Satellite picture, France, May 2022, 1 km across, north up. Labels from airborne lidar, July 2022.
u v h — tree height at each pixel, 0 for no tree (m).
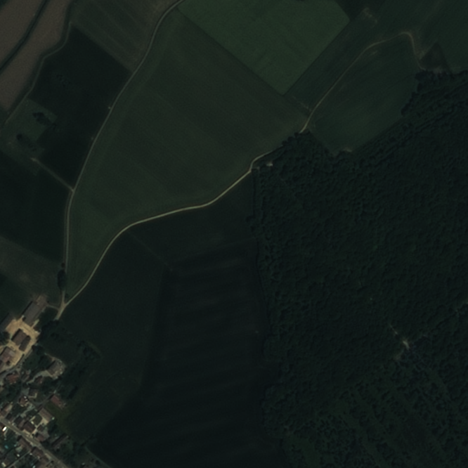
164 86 0
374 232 19
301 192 17
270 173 13
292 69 0
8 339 16
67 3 0
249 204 0
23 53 0
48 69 0
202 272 0
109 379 0
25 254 0
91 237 0
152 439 0
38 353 17
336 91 0
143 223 0
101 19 0
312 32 0
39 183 0
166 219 0
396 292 17
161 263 0
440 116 7
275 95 0
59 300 0
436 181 19
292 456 15
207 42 0
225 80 0
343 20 0
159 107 0
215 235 0
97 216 0
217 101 0
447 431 8
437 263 15
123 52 0
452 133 21
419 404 13
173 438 0
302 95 0
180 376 0
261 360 0
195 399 0
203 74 0
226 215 0
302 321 18
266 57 0
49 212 0
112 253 0
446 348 21
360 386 10
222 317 0
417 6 0
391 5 0
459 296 25
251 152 0
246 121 0
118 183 0
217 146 0
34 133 0
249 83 0
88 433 0
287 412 19
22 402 0
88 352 15
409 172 23
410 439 6
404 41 0
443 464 7
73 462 8
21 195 0
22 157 0
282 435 13
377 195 17
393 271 19
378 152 7
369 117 0
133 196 0
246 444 0
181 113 0
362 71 0
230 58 0
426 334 14
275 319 19
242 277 0
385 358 16
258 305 0
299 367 14
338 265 20
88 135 0
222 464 0
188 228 0
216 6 0
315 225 17
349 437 14
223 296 0
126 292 0
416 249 16
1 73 0
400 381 22
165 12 0
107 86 0
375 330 20
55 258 0
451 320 22
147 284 0
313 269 21
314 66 0
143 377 0
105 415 0
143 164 0
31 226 0
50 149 0
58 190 0
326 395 20
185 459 0
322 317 24
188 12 0
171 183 0
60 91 0
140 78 0
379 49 0
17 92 0
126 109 0
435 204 20
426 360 17
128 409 0
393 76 0
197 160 0
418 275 17
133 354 0
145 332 0
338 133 0
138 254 0
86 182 0
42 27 0
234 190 0
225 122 0
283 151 7
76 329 0
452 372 19
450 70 0
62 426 0
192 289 0
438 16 0
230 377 0
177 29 0
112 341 0
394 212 15
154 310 0
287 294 18
